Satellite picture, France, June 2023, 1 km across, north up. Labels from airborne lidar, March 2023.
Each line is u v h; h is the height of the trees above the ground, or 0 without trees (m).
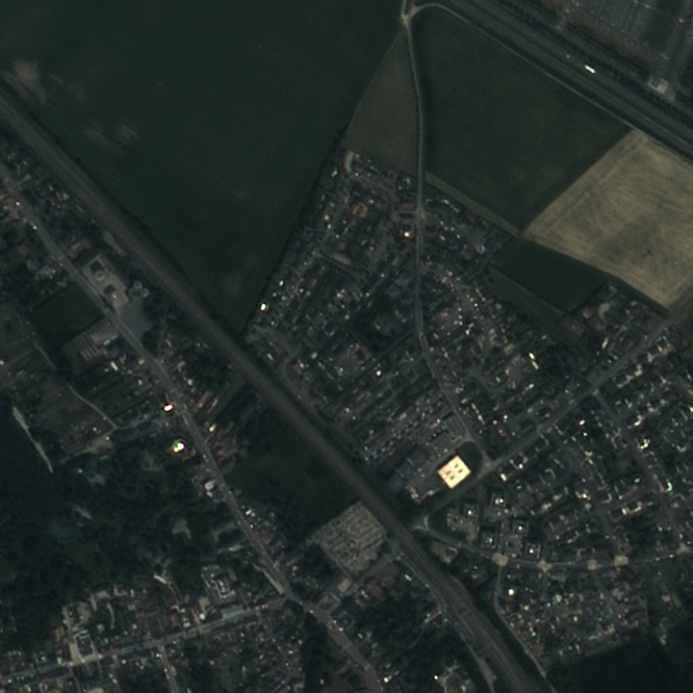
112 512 13
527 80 0
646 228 0
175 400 0
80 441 0
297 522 9
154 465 0
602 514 0
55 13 0
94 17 0
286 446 0
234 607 0
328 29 0
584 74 0
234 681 0
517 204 0
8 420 33
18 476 27
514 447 0
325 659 8
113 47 0
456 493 0
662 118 0
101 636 0
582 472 0
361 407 0
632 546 8
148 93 0
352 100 0
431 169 0
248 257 0
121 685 0
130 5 0
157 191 0
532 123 0
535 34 0
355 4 0
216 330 0
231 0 0
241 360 0
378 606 8
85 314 0
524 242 0
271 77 0
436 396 0
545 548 0
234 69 0
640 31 0
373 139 0
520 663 7
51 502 32
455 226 0
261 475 0
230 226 0
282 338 0
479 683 7
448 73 0
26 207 0
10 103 0
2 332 0
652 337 0
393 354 0
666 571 0
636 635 14
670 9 0
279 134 0
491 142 0
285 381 0
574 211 0
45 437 10
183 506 6
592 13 0
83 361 7
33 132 0
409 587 5
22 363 0
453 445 0
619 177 0
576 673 0
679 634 7
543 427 0
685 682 0
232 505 0
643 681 0
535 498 6
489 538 0
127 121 0
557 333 0
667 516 0
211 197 0
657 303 0
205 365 11
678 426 0
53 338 0
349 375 0
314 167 0
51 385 0
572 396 0
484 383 0
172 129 0
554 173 0
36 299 11
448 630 6
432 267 0
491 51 0
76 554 0
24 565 16
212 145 0
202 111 0
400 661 6
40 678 0
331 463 0
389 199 0
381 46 0
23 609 22
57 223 6
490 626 6
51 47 0
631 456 0
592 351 7
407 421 0
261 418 8
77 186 0
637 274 0
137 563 7
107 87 0
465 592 12
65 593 0
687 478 0
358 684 11
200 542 0
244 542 6
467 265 8
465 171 0
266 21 0
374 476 0
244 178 0
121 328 0
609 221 0
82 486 20
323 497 0
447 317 0
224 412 6
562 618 0
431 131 0
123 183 0
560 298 0
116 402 0
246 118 0
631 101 0
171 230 0
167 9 0
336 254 0
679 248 0
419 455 0
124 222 0
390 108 0
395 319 0
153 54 0
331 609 0
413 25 0
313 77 0
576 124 0
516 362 0
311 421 9
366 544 0
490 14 0
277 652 6
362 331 13
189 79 0
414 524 0
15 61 0
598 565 0
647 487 0
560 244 0
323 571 16
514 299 0
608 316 0
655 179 0
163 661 0
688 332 0
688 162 0
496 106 0
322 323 0
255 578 0
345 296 0
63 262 0
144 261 0
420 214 0
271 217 0
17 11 0
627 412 0
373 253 0
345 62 0
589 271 0
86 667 0
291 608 13
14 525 13
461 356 0
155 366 0
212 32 0
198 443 0
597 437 11
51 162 0
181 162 0
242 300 0
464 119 0
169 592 0
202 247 0
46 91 0
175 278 0
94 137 0
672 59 0
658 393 0
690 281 0
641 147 0
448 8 0
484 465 0
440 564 8
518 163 0
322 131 0
